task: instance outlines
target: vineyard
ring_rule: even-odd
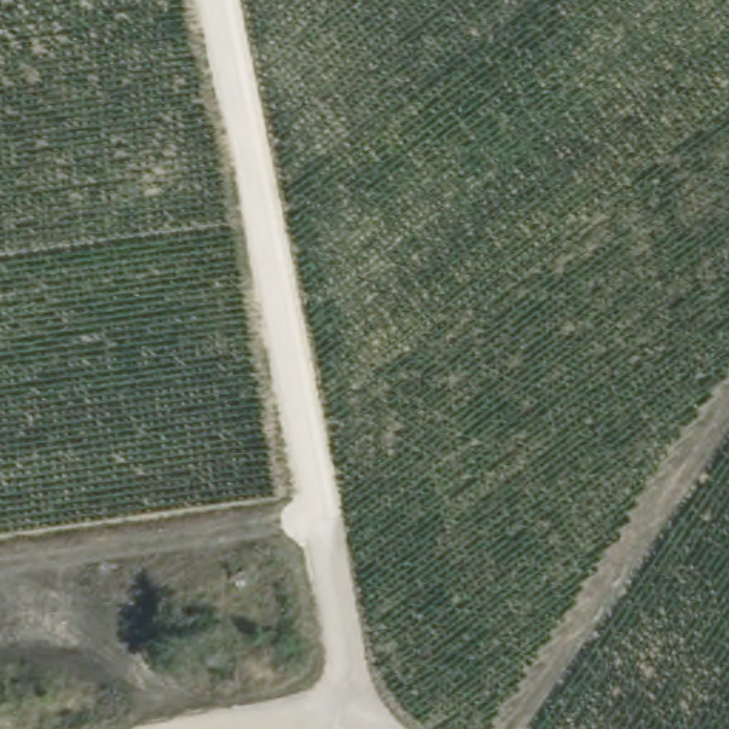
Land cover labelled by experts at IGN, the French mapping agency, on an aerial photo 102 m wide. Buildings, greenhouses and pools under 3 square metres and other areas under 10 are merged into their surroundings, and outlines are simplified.
[[[362,615],[365,655],[384,709],[404,729],[729,729],[729,0],[239,0],[253,60],[253,77],[259,85],[262,114],[268,125],[268,145],[273,151],[290,256],[296,265],[299,302],[313,347],[316,390],[322,402],[327,450],[339,487],[342,521],[356,584],[356,604]]]
[[[245,305],[245,296],[253,290],[253,273],[242,225],[236,168],[225,145],[225,125],[216,88],[211,80],[205,31],[194,9],[185,9],[185,0],[0,0],[0,552],[14,550],[20,544],[77,544],[83,538],[111,533],[148,533],[228,515],[256,515],[276,510],[282,513],[293,501],[293,473],[273,393],[271,353],[265,347],[265,339],[256,333],[262,327],[262,313],[251,302]]]

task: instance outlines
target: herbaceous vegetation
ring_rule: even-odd
[[[140,572],[145,572],[157,587],[171,587],[174,601],[182,601],[185,607],[205,604],[219,612],[251,618],[253,624],[290,621],[305,641],[316,644],[299,664],[276,669],[271,669],[271,646],[259,658],[239,664],[234,678],[228,681],[211,681],[211,675],[171,678],[165,672],[154,672],[145,655],[131,652],[128,644],[122,644],[117,635],[120,612],[125,604],[134,601],[131,587]],[[111,533],[83,538],[77,544],[20,544],[14,550],[0,552],[0,646],[23,641],[80,646],[105,661],[111,678],[131,681],[134,712],[128,706],[120,706],[114,720],[88,723],[83,729],[137,729],[145,723],[159,723],[194,712],[290,698],[319,683],[325,672],[325,644],[319,607],[308,575],[305,550],[282,530],[282,513],[276,510],[256,515],[228,515],[148,533]]]

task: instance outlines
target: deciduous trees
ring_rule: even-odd
[[[105,661],[80,646],[23,641],[0,646],[0,729],[83,729],[88,723],[114,720],[120,706],[128,706],[134,712],[131,681],[111,678]]]
[[[165,672],[171,678],[211,675],[211,681],[228,681],[234,678],[239,664],[259,658],[271,646],[271,669],[276,669],[299,664],[316,644],[305,641],[290,621],[253,624],[251,618],[219,612],[205,604],[185,607],[182,601],[174,601],[171,587],[157,587],[145,572],[140,572],[131,587],[134,601],[125,604],[120,612],[117,635],[122,644],[128,644],[131,652],[145,655],[154,672]]]

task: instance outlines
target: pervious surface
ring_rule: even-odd
[[[236,168],[242,225],[253,273],[253,290],[245,296],[245,305],[251,302],[262,313],[262,327],[256,333],[265,339],[265,347],[271,353],[273,393],[293,473],[293,501],[282,513],[282,530],[305,550],[308,575],[319,607],[325,644],[325,672],[319,683],[290,698],[194,712],[159,723],[145,723],[137,729],[404,729],[384,709],[365,655],[362,615],[356,604],[356,584],[342,521],[339,487],[327,450],[322,402],[316,390],[313,347],[299,302],[296,265],[290,256],[273,151],[268,145],[268,125],[262,114],[259,85],[253,77],[253,60],[239,0],[185,0],[185,9],[194,9],[205,31],[211,80],[216,88],[225,125],[225,145]]]

